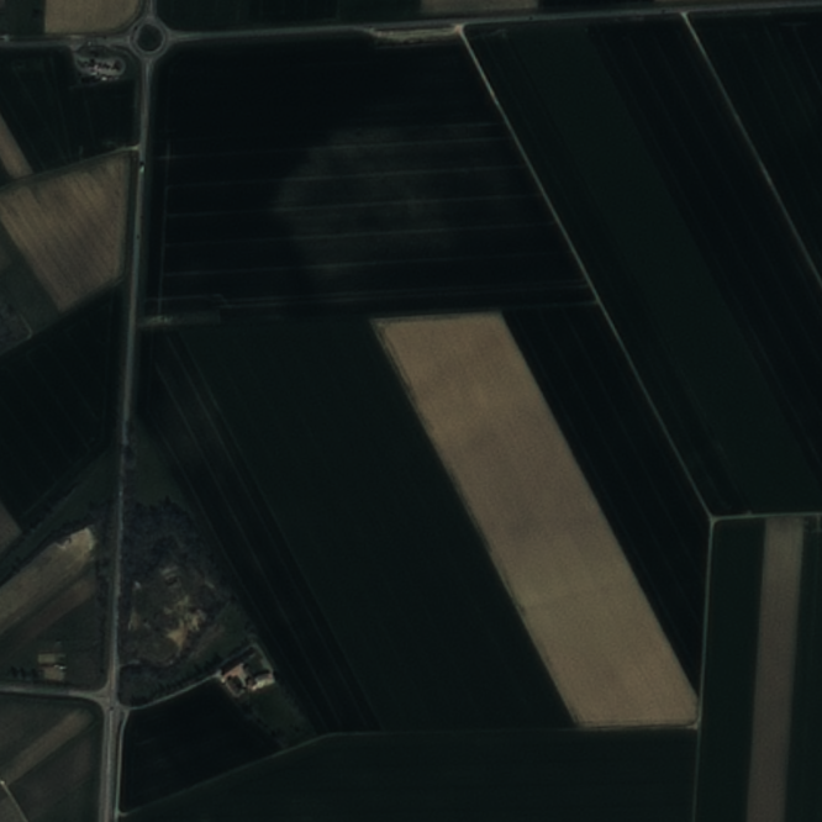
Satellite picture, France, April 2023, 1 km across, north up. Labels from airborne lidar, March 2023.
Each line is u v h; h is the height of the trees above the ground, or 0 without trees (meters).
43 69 0
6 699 0
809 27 0
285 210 0
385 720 0
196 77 0
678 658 0
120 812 0
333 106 0
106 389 0
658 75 0
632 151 0
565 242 0
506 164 0
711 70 0
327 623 0
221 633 0
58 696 0
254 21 0
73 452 0
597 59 0
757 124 0
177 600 0
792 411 0
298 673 0
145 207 0
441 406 0
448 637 0
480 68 0
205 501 0
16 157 0
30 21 0
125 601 12
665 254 0
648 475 0
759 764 0
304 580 0
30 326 0
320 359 0
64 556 0
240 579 0
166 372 0
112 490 0
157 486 0
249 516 0
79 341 0
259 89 0
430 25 0
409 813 0
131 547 11
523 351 0
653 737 0
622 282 0
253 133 0
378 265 0
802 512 0
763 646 0
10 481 0
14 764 0
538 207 0
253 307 0
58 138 0
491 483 0
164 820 0
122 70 0
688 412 0
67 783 0
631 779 0
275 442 0
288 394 0
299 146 0
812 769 0
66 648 0
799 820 0
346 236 0
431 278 0
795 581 0
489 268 0
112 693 0
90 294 0
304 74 0
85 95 0
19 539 0
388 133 0
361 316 0
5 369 0
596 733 0
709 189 0
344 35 0
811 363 0
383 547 0
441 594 0
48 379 0
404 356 0
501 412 0
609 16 0
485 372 0
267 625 0
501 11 0
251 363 0
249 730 0
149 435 0
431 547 0
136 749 0
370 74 0
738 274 0
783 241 0
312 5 0
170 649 0
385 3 0
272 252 0
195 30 0
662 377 0
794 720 0
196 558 14
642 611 0
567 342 0
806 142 0
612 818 0
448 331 0
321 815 0
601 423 0
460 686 0
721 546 0
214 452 0
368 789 0
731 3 0
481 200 0
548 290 0
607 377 0
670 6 0
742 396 0
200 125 0
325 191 0
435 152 0
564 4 0
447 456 0
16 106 0
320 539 0
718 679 0
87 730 0
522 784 0
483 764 0
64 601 0
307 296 0
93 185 0
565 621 0
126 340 0
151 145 0
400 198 0
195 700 0
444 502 0
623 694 0
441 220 0
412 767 0
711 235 0
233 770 0
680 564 0
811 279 0
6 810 0
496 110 0
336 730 0
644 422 0
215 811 0
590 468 0
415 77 0
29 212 0
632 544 0
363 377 0
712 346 0
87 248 0
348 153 0
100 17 0
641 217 0
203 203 0
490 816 0
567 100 0
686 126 0
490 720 0
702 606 0
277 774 0
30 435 0
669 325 0
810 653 0
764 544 0
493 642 0
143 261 0
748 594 0
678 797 0
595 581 0
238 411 0
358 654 0
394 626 0
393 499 0
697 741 0
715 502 0
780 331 0
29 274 0
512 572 0
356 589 0
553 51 0
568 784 0
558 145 0
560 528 0
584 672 0
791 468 0
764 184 0
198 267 0
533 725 0
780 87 0
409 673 0
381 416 0
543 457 0
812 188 0
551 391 0
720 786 0
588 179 0
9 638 0
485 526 0
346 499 0
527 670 0
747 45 0
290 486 0
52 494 0
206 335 0
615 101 0
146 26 0
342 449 0
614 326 0
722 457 0
